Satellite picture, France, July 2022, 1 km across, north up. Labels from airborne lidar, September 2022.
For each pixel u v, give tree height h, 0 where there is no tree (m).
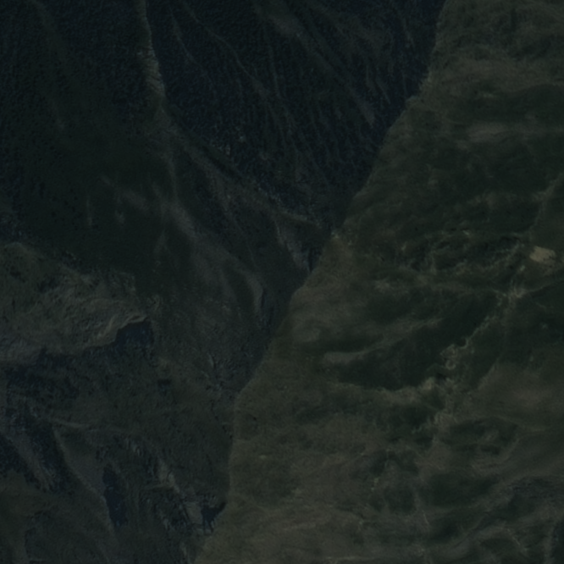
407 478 0
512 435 0
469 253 0
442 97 0
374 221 0
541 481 0
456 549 0
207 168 0
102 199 0
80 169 0
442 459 0
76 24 11
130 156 0
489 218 0
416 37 0
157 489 0
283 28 0
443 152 0
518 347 0
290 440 0
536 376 0
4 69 10
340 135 11
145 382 0
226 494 0
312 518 0
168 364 0
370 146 0
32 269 0
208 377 0
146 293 0
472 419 0
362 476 0
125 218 0
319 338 0
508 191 0
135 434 0
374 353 0
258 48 8
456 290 0
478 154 0
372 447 0
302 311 0
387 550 0
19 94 7
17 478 0
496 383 0
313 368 0
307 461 0
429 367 0
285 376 0
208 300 0
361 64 9
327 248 0
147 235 0
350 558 0
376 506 0
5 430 0
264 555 0
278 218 0
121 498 0
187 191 0
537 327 0
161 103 0
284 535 0
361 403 0
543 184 0
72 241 0
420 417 0
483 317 0
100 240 0
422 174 0
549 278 0
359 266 0
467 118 0
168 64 12
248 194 0
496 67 0
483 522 0
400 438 0
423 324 0
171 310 0
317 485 0
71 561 0
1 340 0
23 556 0
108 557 0
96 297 0
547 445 0
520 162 0
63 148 0
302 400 0
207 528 0
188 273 0
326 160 10
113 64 9
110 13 14
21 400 0
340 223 0
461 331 0
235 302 0
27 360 0
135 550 0
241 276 0
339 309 0
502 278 0
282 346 0
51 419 0
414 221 0
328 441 0
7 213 0
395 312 0
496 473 0
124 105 11
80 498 0
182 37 0
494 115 0
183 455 0
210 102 11
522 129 0
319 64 0
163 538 0
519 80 0
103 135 0
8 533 0
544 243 0
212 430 0
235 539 0
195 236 0
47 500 0
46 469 0
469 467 0
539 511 0
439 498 0
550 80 0
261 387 0
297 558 0
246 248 0
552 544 0
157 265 0
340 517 0
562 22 0
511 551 0
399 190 0
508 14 0
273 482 0
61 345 0
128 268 0
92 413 0
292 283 0
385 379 0
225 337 0
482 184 0
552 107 0
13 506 0
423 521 0
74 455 0
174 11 10
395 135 0
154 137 0
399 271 0
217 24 9
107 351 0
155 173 0
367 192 0
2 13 12
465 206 0
